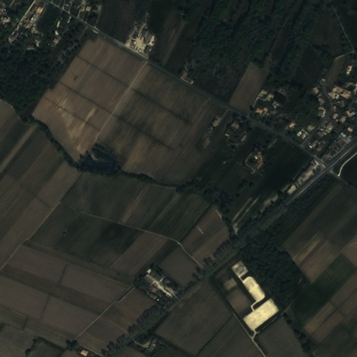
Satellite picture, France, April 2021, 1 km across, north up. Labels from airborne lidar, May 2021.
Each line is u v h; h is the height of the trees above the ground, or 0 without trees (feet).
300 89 68
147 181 58
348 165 0
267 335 0
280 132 0
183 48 0
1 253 0
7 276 0
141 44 0
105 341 0
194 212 0
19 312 0
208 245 0
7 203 0
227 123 0
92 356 0
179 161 0
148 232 0
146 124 0
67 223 0
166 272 0
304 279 0
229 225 51
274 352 0
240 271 0
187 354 0
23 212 0
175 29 0
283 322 0
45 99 0
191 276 0
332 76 0
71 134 0
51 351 0
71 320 0
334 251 0
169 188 0
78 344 33
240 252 68
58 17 33
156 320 74
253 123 0
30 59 59
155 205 0
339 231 0
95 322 0
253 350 0
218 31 73
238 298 0
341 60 0
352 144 0
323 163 0
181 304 0
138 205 0
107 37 0
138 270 0
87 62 0
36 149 0
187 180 0
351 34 0
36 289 0
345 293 0
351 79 28
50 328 0
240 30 86
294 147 0
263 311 0
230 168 0
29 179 0
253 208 0
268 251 53
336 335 0
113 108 0
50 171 0
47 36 31
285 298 52
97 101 0
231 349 0
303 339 60
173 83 0
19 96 73
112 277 0
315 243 0
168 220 0
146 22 0
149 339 46
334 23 0
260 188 0
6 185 0
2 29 54
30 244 0
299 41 48
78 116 0
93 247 0
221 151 0
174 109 0
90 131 0
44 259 0
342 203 0
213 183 0
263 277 73
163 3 0
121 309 0
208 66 20
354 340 0
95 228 0
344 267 0
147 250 0
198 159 0
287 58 62
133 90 0
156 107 0
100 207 0
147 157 0
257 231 73
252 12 46
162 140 0
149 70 0
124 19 0
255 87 0
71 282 0
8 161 0
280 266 48
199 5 66
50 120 0
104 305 0
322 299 0
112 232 0
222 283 0
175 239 0
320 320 0
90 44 0
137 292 0
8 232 0
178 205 0
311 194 21
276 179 0
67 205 0
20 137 0
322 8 70
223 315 0
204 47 61
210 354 0
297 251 0
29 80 53
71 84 0
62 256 0
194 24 0
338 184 0
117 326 0
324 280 0
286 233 0
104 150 45
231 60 36
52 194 0
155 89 0
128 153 0
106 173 50
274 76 31
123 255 0
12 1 0
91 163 0
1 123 0
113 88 0
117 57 0
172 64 0
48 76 53
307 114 25
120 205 0
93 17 33
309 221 0
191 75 32
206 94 0
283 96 37
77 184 0
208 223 0
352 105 52
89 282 0
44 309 0
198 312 0
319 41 0
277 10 64
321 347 0
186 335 0
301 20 69
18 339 0
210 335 0
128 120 0
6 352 0
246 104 0
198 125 0
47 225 0
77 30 43
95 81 0
